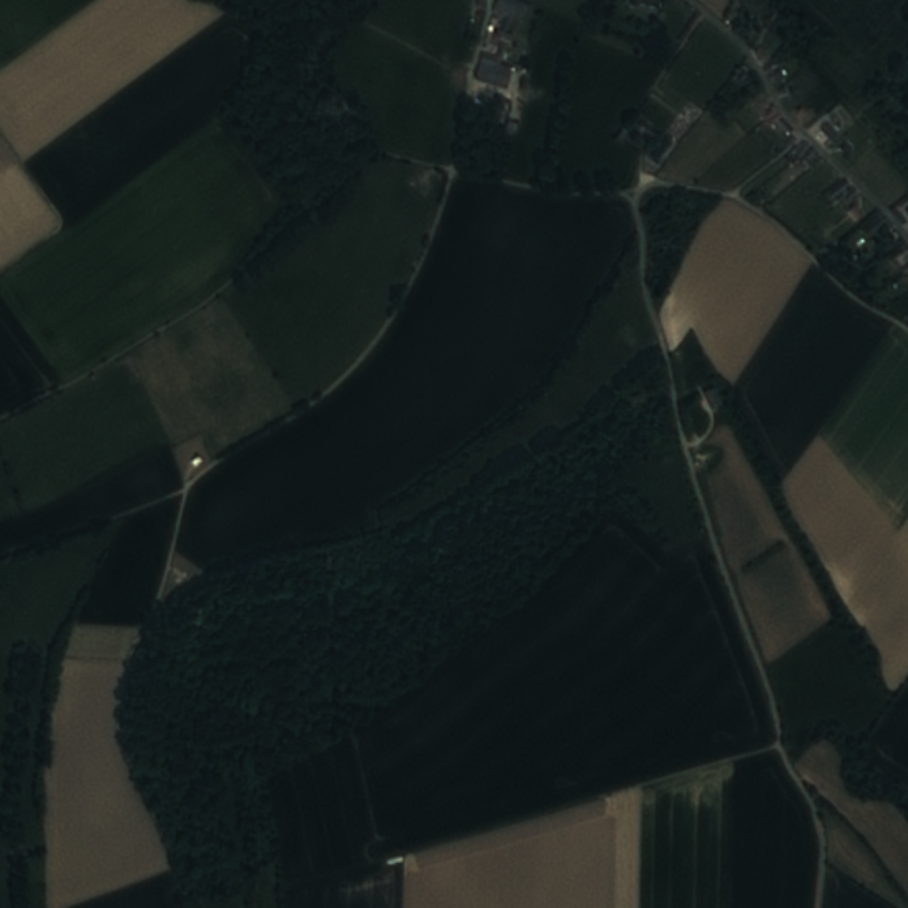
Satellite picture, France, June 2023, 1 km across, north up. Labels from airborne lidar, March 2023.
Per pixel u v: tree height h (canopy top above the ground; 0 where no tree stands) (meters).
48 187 0
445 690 0
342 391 0
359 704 21
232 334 0
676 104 0
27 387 0
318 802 0
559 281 0
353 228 0
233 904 0
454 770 0
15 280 0
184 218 0
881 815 0
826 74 0
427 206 0
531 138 0
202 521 0
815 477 0
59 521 0
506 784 0
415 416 0
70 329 0
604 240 0
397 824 0
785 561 0
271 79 25
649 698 0
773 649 0
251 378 0
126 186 0
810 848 0
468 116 23
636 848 0
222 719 29
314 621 20
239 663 28
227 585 21
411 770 0
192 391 0
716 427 0
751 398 0
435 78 0
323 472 0
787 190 0
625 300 0
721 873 0
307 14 33
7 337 0
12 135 0
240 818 12
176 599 8
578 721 0
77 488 0
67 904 0
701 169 0
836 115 0
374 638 19
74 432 0
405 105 0
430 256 0
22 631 0
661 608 0
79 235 0
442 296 0
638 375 15
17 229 0
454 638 18
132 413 0
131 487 0
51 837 0
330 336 0
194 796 26
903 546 0
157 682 33
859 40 0
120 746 22
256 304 0
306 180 29
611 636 0
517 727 0
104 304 0
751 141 0
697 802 0
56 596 0
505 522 22
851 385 0
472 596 25
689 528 0
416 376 0
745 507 0
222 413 0
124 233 0
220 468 0
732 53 0
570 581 0
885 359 0
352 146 25
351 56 0
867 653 15
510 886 0
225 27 0
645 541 0
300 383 0
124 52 0
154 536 0
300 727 8
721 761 0
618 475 17
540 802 0
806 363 0
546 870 0
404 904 0
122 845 0
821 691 0
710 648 0
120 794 0
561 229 0
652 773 0
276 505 0
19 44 0
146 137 0
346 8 20
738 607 0
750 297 0
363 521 0
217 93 0
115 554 0
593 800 0
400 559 19
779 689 0
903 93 6
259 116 24
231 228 0
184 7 0
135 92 0
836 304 0
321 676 28
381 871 0
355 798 0
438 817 0
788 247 0
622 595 0
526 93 0
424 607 23
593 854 0
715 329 0
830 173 0
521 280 0
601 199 0
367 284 0
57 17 0
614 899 0
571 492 19
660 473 0
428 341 0
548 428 0
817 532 0
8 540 0
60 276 0
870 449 0
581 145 0
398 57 0
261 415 0
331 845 0
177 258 0
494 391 0
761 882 0
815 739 7
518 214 0
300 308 0
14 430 0
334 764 0
